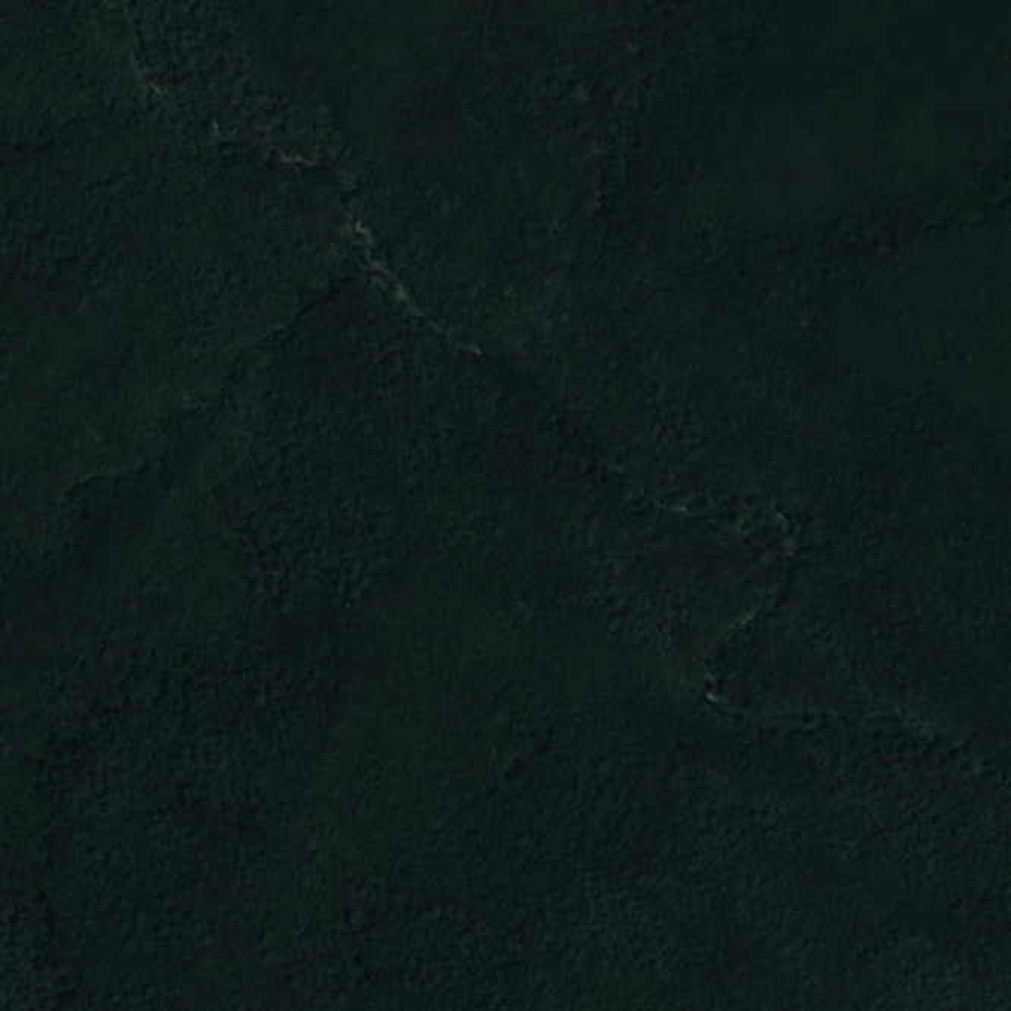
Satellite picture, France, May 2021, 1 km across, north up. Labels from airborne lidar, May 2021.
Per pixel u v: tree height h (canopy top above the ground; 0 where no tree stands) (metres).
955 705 15
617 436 11
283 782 9
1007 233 9
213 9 21
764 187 6
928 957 20
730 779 16
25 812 20
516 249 18
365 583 22
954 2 7
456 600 9
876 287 7
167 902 14
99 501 16
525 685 15
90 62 11
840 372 12
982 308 5
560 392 12
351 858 11
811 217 8
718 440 15
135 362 17
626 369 16
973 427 9
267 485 16
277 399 17
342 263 26
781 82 7
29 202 17
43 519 19
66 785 17
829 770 13
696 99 10
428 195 23
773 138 5
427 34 7
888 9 6
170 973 10
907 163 6
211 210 11
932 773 18
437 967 9
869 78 6
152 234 12
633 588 18
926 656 21
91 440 14
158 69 24
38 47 15
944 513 7
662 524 17
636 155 17
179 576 14
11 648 13
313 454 15
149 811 9
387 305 19
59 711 14
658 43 20
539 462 18
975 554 12
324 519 21
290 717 22
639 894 14
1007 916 16
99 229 10
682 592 20
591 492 16
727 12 9
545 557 13
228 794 23
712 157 10
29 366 14
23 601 17
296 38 7
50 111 15
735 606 12
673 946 13
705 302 7
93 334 12
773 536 22
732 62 8
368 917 16
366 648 11
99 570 10
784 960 14
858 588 19
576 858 11
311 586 19
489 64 15
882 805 16
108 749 22
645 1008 13
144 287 10
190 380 11
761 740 13
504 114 13
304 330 15
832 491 11
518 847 11
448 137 7
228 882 15
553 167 9
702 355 7
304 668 13
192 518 15
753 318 9
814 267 8
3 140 15
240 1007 20
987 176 13
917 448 12
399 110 7
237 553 24
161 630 11
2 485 18
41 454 10
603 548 14
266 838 16
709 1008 14
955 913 17
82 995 13
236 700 12
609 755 12
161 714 17
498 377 27
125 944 16
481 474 14
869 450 10
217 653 21
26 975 27
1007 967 15
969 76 6
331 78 7
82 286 8
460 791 18
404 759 7
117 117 17
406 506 11
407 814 12
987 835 12
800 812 14
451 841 8
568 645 11
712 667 22
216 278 11
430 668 10
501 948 9
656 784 16
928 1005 20
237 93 10
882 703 12
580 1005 11
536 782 11
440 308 13
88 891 11
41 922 19
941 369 6
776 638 14
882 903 13
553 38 11
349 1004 17
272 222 13
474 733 10
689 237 12
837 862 13
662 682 15
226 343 16
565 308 14
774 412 12
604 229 16
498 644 9
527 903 15
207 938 17
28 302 14
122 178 18
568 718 15
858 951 16
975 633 10
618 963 16
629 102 16
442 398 15
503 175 11
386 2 8
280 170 23
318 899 12
